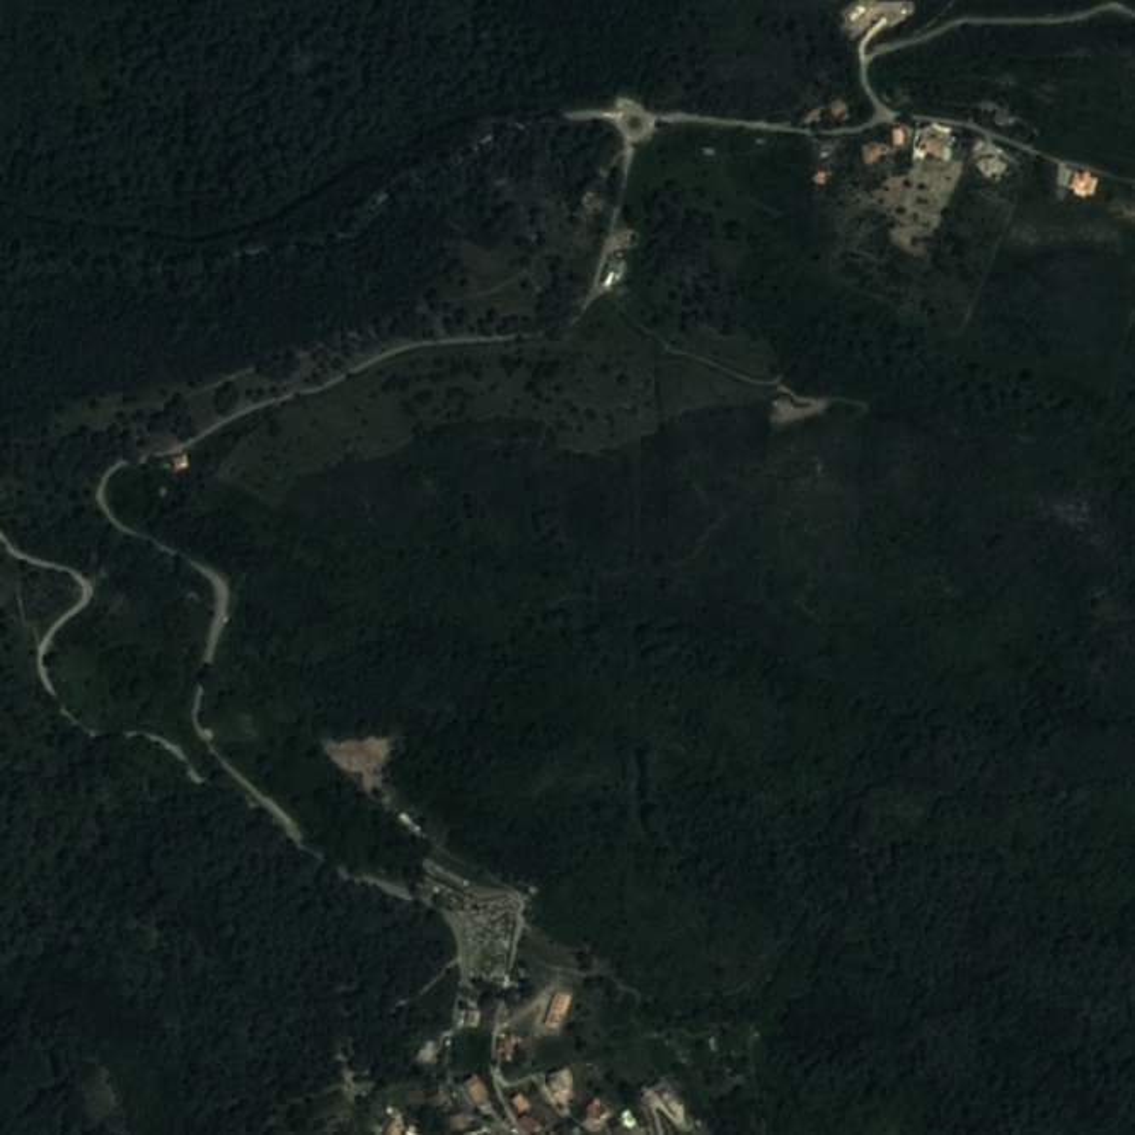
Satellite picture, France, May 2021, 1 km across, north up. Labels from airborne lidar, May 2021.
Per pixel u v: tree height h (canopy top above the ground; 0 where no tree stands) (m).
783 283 7
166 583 12
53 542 16
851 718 6
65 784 11
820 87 11
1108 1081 21
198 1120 20
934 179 0
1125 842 7
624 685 9
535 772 6
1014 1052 16
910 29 9
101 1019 9
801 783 7
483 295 0
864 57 0
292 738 8
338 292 16
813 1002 18
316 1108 18
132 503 6
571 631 8
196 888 11
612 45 10
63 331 14
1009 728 15
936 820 12
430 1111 11
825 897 7
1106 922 7
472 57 24
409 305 11
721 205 6
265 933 20
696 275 28
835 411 6
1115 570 6
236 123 21
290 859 10
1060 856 7
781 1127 7
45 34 10
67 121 15
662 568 13
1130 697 6
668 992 9
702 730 8
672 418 0
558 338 16
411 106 23
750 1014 11
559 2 11
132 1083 10
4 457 16
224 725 0
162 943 9
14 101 11
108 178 23
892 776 7
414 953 18
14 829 18
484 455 6
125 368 15
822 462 0
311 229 20
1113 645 7
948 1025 26
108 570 9
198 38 19
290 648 7
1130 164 0
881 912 12
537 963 0
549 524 12
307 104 32
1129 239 0
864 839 14
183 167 22
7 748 16
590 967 16
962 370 8
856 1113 8
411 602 7
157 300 13
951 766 10
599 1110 0
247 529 12
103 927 19
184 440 16
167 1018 17
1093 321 0
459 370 6
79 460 19
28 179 23
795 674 6
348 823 6
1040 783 15
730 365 0
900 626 7
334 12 22
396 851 11
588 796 6
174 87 21
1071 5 9
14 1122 27
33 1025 21
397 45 28
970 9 9
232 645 8
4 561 18
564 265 18
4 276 15
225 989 16
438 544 7
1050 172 0
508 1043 0
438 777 7
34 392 14
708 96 12
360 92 21
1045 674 12
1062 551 8
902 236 0
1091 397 9
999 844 6
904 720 14
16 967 15
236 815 18
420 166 24
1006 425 9
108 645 8
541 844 10
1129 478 7
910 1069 12
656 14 6
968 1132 9
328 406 0
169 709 8
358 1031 14
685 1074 11
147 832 19
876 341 8
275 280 16
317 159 23
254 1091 20
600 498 6
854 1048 19
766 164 6
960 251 6
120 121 24
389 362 0
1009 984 21
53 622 0
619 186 22
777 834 16
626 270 0
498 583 6
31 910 13
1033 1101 15
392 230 15
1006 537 13
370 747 0
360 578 8
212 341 8
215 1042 12
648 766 23
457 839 8
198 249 13
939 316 9
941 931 15
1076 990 10
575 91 12
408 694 12
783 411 0
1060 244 0
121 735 10
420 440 6
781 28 14
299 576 8
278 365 12
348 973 14
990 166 0
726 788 12
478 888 0
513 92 11
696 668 12
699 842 8
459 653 12
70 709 7
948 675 6
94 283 11
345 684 12
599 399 0
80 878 12
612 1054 7
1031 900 15
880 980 16
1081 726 6
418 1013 13
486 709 14
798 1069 17
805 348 10
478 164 9
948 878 16
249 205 23
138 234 18
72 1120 24
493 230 20
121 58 11
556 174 6
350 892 25
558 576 16
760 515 7
